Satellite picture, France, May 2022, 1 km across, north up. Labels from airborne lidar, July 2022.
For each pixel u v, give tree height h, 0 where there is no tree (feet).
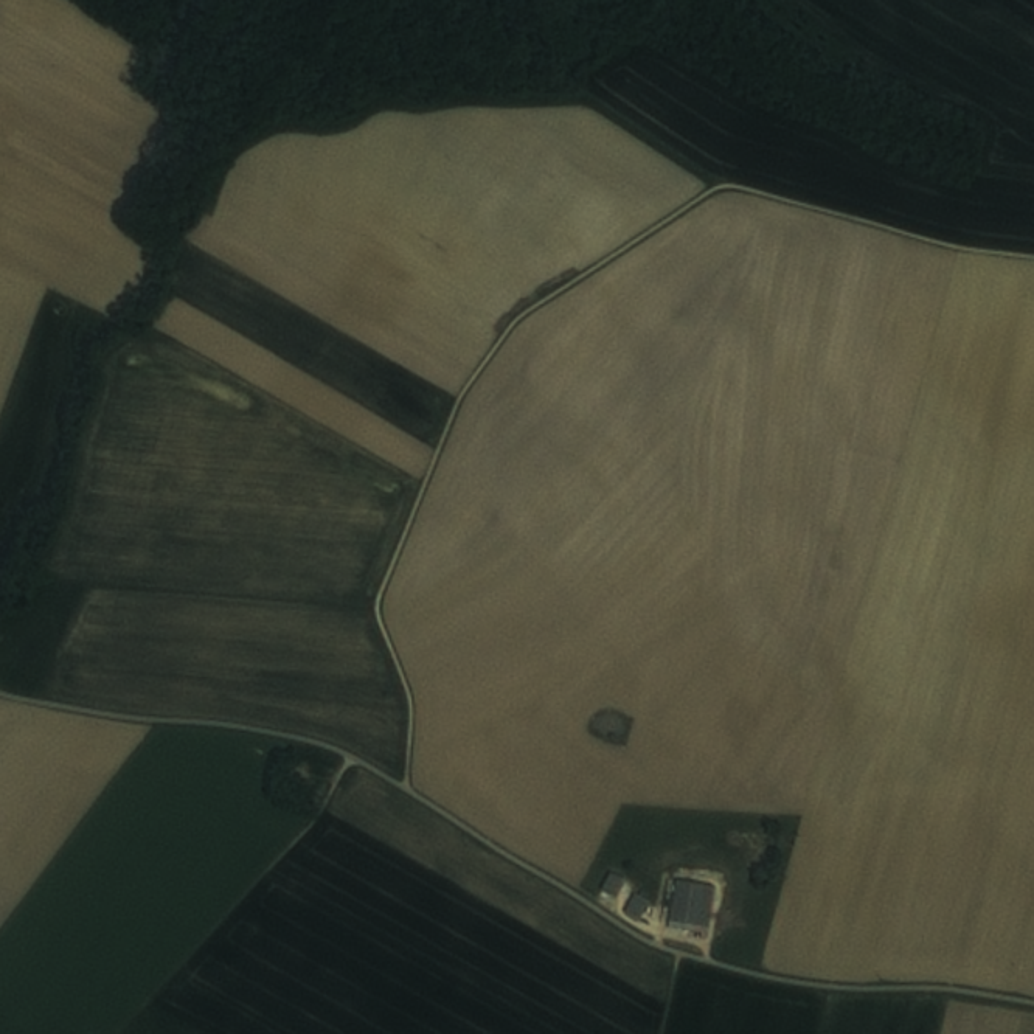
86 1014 0
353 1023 0
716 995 0
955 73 0
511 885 0
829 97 41
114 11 73
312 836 0
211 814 0
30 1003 0
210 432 0
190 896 0
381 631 0
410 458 0
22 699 0
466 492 0
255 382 0
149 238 83
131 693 0
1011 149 0
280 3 102
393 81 74
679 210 0
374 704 0
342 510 0
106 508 0
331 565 0
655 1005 0
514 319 0
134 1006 0
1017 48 0
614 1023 0
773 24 74
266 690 0
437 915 0
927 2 0
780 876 51
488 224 0
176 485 0
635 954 0
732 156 0
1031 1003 0
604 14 59
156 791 0
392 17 83
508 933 0
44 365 0
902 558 0
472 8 82
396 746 0
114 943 0
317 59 89
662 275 0
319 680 0
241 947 0
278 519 0
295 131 0
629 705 0
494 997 0
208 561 0
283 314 0
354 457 0
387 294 0
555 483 0
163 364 0
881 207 0
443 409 0
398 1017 0
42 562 32
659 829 0
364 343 0
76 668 0
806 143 0
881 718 0
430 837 0
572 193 0
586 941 0
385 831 0
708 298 0
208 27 102
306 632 0
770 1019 0
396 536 0
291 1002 0
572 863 0
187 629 0
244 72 94
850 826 0
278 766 74
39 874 0
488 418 0
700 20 50
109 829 0
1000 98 0
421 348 0
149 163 76
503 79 86
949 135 38
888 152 58
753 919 0
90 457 0
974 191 0
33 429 0
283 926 0
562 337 0
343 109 61
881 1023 0
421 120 0
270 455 0
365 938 0
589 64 49
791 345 0
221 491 0
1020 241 0
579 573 0
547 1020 0
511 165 0
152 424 0
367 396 0
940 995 0
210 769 0
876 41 0
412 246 0
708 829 0
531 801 0
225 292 0
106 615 0
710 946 0
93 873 0
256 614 0
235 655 0
